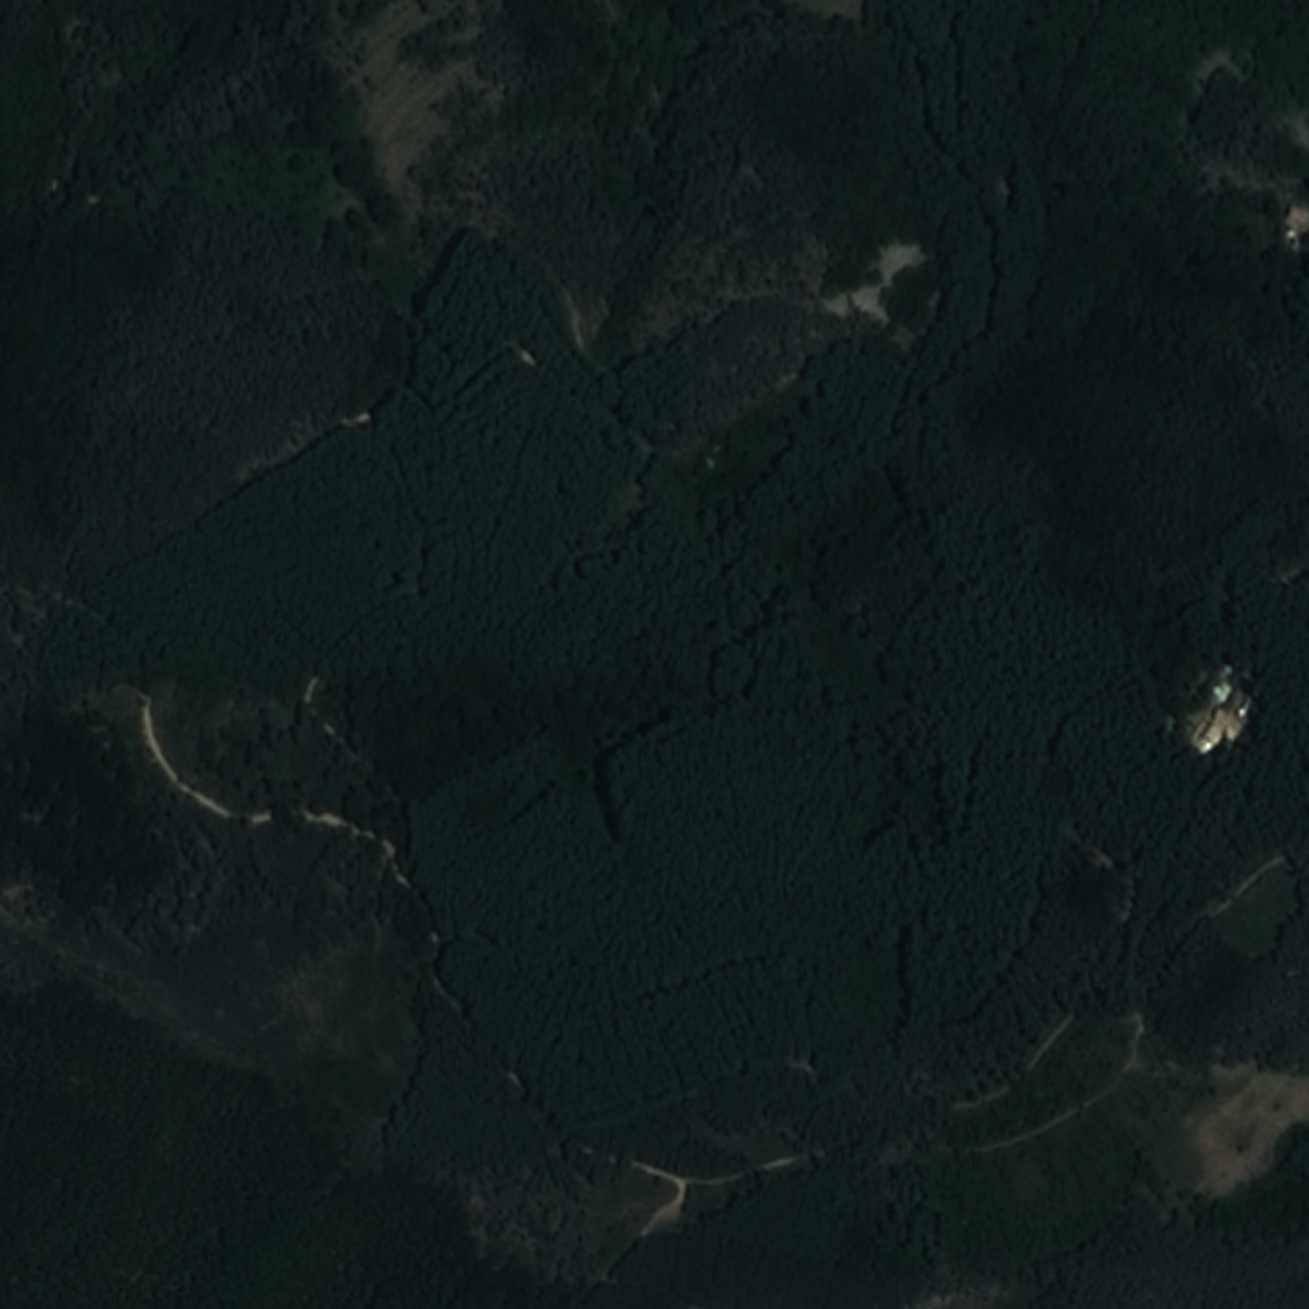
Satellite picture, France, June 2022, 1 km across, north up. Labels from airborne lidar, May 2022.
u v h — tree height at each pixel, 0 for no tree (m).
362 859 16
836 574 16
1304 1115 0
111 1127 13
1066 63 21
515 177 9
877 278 9
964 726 28
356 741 18
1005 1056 23
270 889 12
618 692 23
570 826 24
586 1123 22
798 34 18
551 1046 26
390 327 16
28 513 12
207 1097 12
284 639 28
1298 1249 14
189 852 16
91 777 19
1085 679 23
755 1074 14
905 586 17
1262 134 13
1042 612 26
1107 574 22
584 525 27
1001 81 35
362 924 7
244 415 16
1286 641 31
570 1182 13
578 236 15
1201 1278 16
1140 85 16
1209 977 16
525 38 10
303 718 17
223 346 18
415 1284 8
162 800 7
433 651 31
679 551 31
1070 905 19
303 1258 9
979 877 35
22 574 12
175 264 24
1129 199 23
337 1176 8
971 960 28
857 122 20
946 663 29
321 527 27
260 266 23
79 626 22
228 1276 16
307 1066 0
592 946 36
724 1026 27
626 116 10
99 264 20
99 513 10
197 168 7
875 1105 20
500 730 22
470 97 8
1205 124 17
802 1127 12
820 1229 21
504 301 28
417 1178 8
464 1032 21
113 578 24
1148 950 18
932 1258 19
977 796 27
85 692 14
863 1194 20
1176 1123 0
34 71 14
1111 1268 17
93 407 20
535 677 33
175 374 21
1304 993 15
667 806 24
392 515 28
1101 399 16
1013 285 33
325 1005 0
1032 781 30
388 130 0
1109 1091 0
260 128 7
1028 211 33
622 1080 26
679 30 10
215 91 21
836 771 24
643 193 11
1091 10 14
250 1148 23
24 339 22
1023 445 19
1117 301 23
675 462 16
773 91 16
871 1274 15
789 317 13
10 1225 16
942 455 24
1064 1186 6
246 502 24
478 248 27
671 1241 13
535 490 24
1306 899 18
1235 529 26
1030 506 14
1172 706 20
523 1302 8
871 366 30
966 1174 6
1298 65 14
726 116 19
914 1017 28
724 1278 17
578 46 19
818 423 33
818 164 18
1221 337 21
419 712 21
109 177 23
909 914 36
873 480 25
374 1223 17
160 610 23
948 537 31
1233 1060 14
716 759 25
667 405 24
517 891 28
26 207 17
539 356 24
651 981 26
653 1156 19
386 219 18
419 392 31
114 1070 15
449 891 28
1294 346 22
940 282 16
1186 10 12
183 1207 18
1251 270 18
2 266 24
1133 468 19
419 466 28
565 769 22
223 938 9
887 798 8
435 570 26
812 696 20
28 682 18
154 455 16
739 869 25
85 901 14
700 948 30
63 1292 9
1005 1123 8
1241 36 12
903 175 24
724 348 15
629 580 34
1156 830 26
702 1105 16
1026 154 36
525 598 29
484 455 26
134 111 21
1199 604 17
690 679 36
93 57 21
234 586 25
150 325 23
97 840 16
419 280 6
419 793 15
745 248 8
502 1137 17
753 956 24
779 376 15
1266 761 29
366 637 33
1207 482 17
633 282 14
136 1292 11
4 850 16
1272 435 20
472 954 30
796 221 9
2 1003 13
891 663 21
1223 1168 0
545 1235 9
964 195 39
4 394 29
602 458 27
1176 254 28
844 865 28
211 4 27
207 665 28
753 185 18
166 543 16
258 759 21
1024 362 31
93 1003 9
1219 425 14
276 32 19
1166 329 26
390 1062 0
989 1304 8
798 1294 14
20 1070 15
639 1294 15
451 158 6
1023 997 22
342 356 14
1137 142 14
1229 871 17
